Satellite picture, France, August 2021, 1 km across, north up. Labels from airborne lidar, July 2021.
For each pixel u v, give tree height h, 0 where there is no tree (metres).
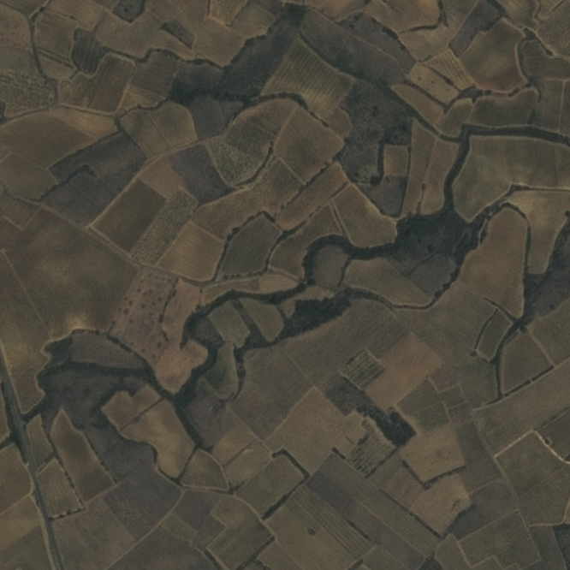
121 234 0
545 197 0
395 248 7
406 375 0
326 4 0
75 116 0
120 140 0
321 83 0
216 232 0
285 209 7
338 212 0
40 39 0
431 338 0
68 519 0
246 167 0
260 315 0
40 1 0
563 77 0
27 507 0
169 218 0
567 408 0
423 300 0
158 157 0
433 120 0
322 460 0
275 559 0
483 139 0
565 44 0
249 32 0
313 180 6
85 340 0
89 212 0
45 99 0
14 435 7
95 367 6
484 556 0
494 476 0
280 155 0
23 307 0
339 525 0
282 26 0
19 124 0
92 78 0
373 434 0
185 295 0
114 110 0
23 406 0
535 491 0
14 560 0
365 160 0
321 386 0
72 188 0
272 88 0
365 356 0
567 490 0
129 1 0
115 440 0
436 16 0
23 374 0
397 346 0
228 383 0
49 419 0
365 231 0
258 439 0
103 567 0
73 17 6
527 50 0
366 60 0
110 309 0
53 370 7
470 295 0
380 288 0
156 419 0
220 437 0
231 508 0
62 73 0
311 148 0
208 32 0
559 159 0
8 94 0
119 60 0
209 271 0
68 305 0
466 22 0
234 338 0
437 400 0
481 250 0
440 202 0
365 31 0
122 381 0
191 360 0
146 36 0
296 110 0
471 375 0
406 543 0
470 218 0
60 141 0
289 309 0
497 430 0
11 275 0
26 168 0
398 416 5
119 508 0
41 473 0
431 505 0
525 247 0
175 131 0
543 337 0
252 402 0
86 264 0
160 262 0
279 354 0
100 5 0
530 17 0
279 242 6
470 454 0
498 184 0
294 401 0
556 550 0
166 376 0
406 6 0
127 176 0
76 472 0
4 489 0
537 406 0
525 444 0
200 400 0
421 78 0
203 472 0
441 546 0
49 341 0
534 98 0
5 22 0
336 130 0
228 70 7
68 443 0
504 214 0
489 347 0
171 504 0
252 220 7
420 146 0
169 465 0
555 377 0
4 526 0
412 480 0
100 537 0
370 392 0
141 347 0
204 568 0
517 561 0
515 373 0
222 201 0
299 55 0
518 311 0
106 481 0
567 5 0
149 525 0
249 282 0
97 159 0
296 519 0
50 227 0
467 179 0
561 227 0
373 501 0
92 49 0
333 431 0
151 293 0
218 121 0
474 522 0
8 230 0
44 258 0
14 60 0
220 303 7
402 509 0
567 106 0
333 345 0
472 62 0
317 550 0
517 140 0
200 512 0
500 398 0
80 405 0
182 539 0
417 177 0
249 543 0
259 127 0
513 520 0
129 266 0
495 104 0
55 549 0
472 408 0
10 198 0
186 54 0
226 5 0
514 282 0
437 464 0
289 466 0
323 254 0
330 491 0
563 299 0
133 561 0
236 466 0
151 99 0
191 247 0
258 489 0
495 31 0
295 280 0
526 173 0
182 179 0
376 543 0
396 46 0
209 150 0
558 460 0
